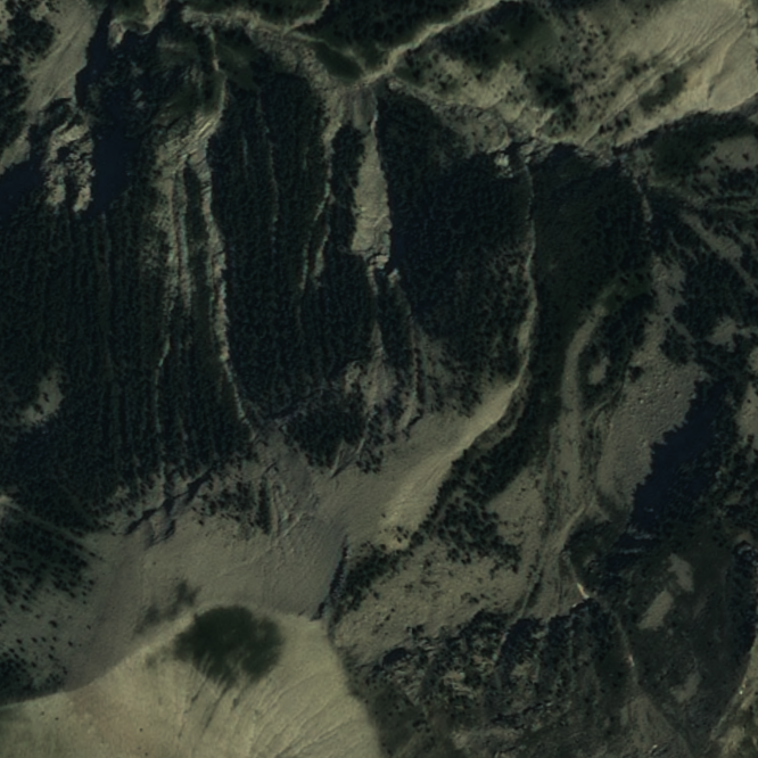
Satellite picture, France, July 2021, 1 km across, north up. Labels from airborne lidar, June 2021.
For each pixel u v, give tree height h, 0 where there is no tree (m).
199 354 10
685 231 22
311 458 7
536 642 11
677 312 8
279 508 0
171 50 0
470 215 21
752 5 0
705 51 0
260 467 0
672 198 6
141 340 14
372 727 0
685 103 0
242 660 0
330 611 0
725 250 0
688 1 0
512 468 13
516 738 0
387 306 16
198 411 19
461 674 0
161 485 0
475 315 13
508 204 16
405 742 0
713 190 17
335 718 0
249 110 6
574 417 0
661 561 0
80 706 0
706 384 6
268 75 16
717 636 0
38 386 9
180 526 0
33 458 13
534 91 0
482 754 0
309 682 0
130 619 0
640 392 0
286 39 0
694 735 0
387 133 9
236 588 0
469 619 0
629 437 0
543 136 0
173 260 0
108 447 16
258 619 0
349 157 10
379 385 0
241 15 0
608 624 13
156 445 16
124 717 0
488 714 0
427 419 0
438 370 0
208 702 0
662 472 12
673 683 0
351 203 10
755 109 0
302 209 10
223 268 0
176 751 0
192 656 0
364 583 8
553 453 0
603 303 0
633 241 22
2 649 0
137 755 0
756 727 0
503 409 0
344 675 0
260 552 0
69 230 12
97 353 12
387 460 0
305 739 0
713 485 5
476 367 11
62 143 0
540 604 0
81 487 11
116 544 0
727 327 0
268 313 14
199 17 0
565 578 0
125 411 12
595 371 0
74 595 9
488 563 0
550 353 8
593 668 0
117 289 11
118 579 0
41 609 0
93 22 0
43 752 0
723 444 11
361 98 0
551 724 0
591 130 0
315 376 15
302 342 14
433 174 13
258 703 0
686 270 12
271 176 13
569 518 0
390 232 0
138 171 7
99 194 0
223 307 0
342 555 0
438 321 9
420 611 0
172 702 0
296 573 0
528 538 0
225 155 15
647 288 0
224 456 7
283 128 12
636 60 0
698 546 0
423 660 8
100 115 12
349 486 0
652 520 7
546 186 6
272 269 8
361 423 10
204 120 0
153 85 15
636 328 11
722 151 0
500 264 10
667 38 0
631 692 0
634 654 0
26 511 7
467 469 10
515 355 8
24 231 16
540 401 17
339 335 18
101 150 0
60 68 0
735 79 0
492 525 12
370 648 0
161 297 9
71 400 7
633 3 0
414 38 0
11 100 16
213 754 0
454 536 12
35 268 19
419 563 0
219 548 0
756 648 0
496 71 0
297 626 0
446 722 0
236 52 0
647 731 0
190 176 6
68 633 0
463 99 0
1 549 8
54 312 14
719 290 12
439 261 25
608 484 0
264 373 16
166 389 14
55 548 12
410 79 0
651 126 0
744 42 0
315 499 0
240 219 9
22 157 0
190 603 0
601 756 0
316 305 6
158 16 0
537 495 0
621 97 0
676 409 0
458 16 0
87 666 0
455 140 6
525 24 9
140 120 16
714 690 0
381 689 0
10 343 16
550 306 13
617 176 6
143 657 0
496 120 0
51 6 8
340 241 10
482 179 10
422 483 0
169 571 0
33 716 0
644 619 0
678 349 9
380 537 0
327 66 0
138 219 8
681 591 0
